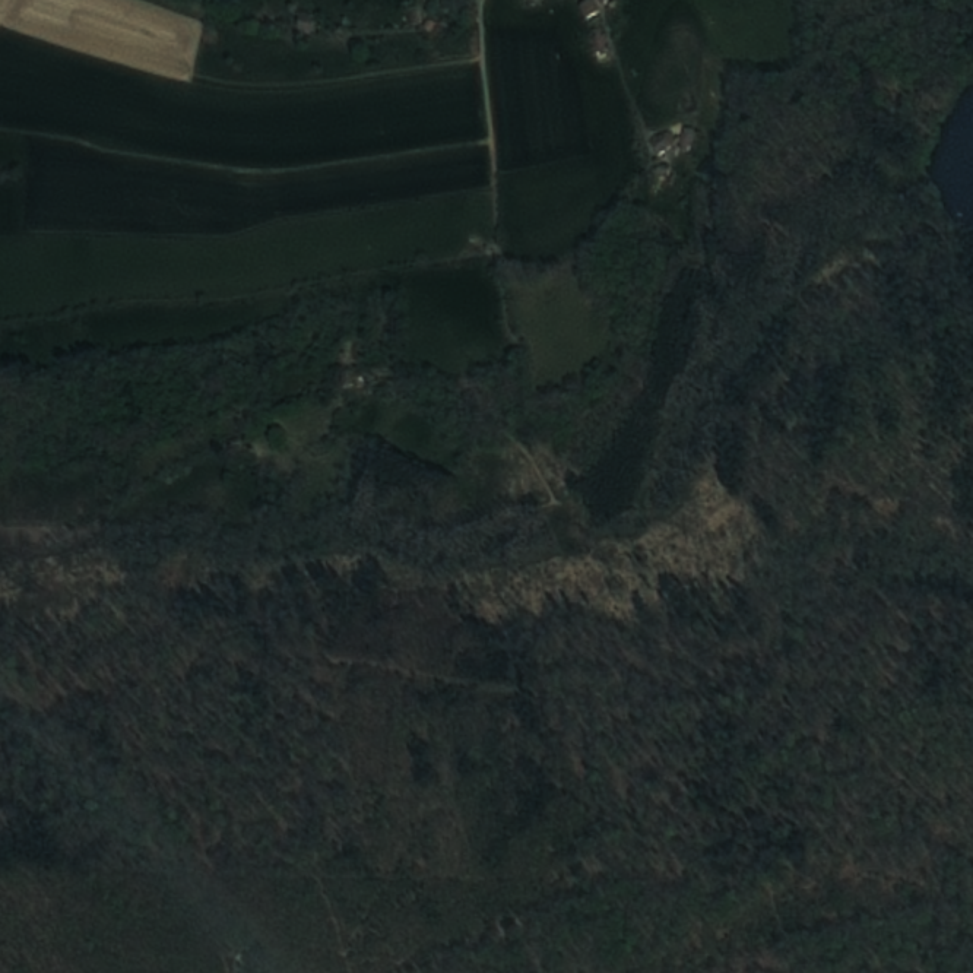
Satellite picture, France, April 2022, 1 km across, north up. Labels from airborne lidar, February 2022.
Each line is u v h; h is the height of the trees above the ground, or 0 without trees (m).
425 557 22
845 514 25
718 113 0
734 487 33
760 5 0
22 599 0
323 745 30
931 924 29
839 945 25
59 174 0
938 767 25
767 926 7
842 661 26
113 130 0
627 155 0
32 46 0
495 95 0
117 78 0
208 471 0
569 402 33
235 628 29
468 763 16
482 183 0
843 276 0
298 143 0
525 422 29
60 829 34
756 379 31
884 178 32
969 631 26
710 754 8
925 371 24
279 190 0
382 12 0
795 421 24
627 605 0
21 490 0
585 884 29
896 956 25
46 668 28
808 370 24
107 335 0
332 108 0
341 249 0
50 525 0
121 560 21
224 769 26
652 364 23
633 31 0
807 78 25
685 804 30
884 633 29
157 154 0
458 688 6
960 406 20
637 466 19
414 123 0
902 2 18
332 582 27
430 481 32
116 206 0
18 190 0
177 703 24
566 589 0
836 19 23
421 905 11
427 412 25
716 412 24
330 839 25
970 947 28
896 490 25
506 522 32
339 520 23
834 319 28
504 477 0
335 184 0
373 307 18
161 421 25
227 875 19
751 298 28
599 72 0
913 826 27
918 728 24
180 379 24
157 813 34
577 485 26
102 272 0
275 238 0
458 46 0
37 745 33
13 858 25
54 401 28
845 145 29
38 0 0
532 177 0
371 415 0
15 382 27
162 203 0
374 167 0
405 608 11
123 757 34
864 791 31
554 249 0
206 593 0
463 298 0
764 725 30
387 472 31
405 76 0
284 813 33
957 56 32
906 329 20
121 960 13
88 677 29
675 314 18
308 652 28
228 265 0
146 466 0
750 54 0
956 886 28
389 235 0
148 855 28
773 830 30
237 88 0
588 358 0
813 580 24
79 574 0
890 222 22
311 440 0
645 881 26
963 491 30
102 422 26
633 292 28
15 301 0
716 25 0
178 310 0
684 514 0
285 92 0
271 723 25
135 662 25
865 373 22
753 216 29
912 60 33
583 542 0
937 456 21
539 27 0
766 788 30
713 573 0
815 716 30
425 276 0
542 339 0
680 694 29
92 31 0
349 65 0
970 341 23
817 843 29
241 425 17
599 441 20
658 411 19
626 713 30
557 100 0
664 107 0
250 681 22
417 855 11
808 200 26
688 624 31
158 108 0
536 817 8
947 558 21
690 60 0
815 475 22
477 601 22
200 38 0
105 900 17
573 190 0
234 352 25
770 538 19
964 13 29
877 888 9
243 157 0
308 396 9
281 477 22
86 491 0
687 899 27
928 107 28
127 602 23
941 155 0
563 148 0
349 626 8
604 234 20
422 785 24
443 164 0
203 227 0
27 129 0
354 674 7
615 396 27
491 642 10
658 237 18
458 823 16
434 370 16
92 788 32
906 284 26
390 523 25
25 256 0
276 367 26
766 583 24
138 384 23
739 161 27
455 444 18
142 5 0
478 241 0
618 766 26
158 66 0
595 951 26
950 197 0
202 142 0
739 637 28
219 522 7
